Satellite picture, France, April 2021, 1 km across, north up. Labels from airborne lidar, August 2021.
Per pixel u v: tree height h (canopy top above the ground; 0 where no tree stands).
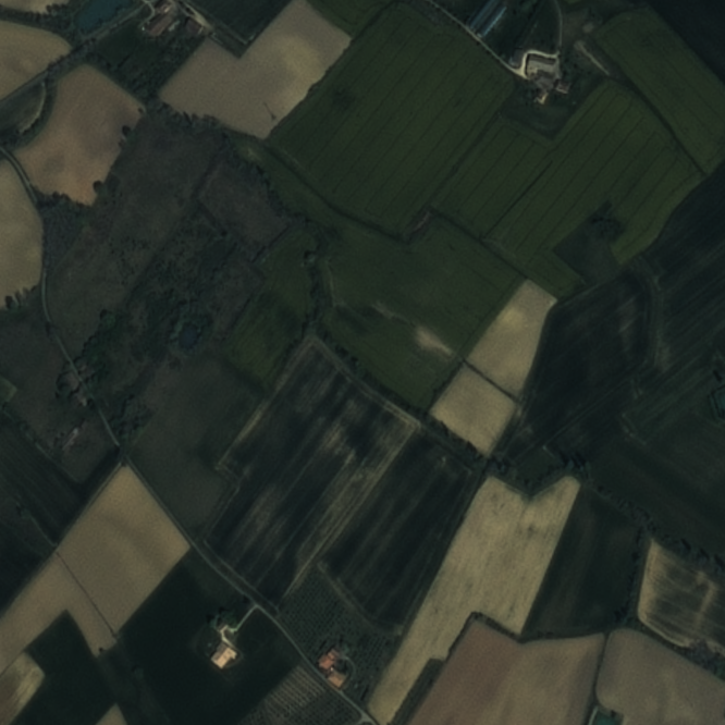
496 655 0
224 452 0
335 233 0
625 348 0
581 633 0
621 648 0
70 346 0
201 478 0
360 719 0
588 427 0
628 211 0
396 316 0
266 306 0
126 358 0
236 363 0
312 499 0
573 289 0
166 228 0
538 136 0
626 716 0
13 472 0
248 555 0
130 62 0
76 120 0
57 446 9
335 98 0
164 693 0
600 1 0
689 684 0
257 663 0
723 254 0
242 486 0
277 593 0
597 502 0
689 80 0
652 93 0
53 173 0
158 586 0
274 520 0
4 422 0
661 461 0
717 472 0
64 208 20
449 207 0
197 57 0
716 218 0
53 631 0
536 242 0
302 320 0
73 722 0
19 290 0
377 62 0
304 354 0
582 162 0
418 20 0
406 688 0
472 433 0
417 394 0
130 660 0
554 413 0
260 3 0
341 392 0
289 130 0
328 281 0
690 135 0
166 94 0
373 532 0
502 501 0
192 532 0
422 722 0
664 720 0
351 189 0
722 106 0
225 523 0
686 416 0
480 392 0
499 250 0
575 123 0
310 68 0
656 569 0
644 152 0
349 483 0
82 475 0
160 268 7
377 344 0
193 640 0
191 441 0
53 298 0
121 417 6
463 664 0
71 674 0
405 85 0
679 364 0
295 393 0
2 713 0
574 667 0
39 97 0
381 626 0
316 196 0
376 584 0
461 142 0
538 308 0
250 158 0
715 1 0
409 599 0
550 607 0
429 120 0
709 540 0
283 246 0
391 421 0
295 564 0
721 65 0
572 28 0
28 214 0
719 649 0
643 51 0
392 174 0
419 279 0
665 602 0
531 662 0
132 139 13
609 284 0
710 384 0
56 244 16
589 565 0
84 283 0
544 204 0
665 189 0
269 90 0
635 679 0
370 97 0
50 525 0
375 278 0
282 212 13
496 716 0
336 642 7
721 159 0
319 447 0
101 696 0
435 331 0
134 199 0
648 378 0
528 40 0
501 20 0
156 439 0
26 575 0
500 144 0
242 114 0
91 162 0
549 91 7
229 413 0
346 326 0
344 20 0
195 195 0
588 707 0
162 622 0
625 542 0
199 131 11
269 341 0
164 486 0
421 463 0
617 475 0
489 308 0
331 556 0
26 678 0
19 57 0
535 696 0
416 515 0
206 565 0
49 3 0
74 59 13
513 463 0
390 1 0
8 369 0
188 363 0
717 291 0
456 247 0
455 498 0
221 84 0
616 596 0
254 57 0
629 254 0
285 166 0
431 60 0
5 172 0
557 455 0
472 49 0
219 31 0
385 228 0
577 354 0
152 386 0
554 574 0
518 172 0
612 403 0
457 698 0
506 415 0
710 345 0
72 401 14
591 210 0
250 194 0
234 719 0
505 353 0
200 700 0
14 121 0
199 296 6
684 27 0
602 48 0
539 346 0
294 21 0
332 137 0
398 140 0
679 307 0
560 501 0
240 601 0
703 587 0
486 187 0
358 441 0
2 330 0
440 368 0
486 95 0
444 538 0
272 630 0
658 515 0
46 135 0
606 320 0
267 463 0
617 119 0
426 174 0
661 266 0
